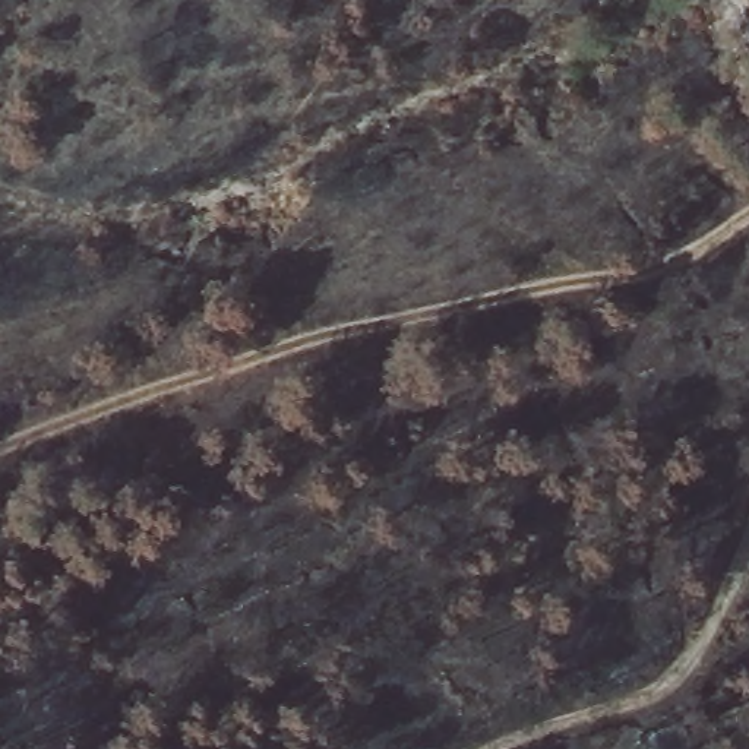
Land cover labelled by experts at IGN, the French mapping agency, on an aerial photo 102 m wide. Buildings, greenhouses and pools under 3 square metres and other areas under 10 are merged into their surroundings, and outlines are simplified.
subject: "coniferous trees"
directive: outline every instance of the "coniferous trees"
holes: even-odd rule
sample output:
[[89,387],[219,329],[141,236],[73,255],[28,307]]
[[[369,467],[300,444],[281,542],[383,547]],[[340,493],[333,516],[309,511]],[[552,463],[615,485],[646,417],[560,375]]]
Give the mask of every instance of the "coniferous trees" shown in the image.
[[679,135],[682,140],[693,143],[693,149],[723,176],[723,181],[734,187],[740,208],[749,205],[749,167],[726,152],[723,140],[717,138],[717,120],[702,117],[699,126],[685,126],[679,111],[673,108],[673,94],[655,94],[647,99],[644,108],[644,123],[655,126],[658,138]]
[[252,290],[243,287],[243,266],[225,269],[202,263],[202,272],[187,293],[173,293],[158,284],[138,287],[132,310],[111,313],[102,339],[105,357],[111,363],[120,357],[132,369],[152,357],[152,348],[164,351],[178,342],[184,342],[184,354],[193,360],[225,363],[231,354],[240,351],[269,348],[278,336],[269,328],[272,310],[266,298],[257,298]]
[[664,576],[673,585],[690,585],[702,579],[708,556],[714,550],[714,538],[702,530],[705,494],[693,483],[705,465],[705,439],[711,436],[705,418],[688,424],[673,410],[644,413],[632,401],[620,401],[614,383],[573,386],[559,377],[553,366],[538,363],[535,339],[541,334],[541,322],[565,322],[571,336],[588,348],[606,339],[611,331],[638,331],[635,319],[658,307],[658,284],[641,281],[635,275],[617,278],[611,287],[594,287],[547,298],[527,298],[524,293],[483,298],[477,301],[439,310],[439,322],[418,325],[415,342],[433,342],[430,369],[436,372],[442,389],[436,407],[410,410],[410,442],[413,451],[430,459],[430,471],[462,483],[468,497],[427,509],[430,535],[418,538],[407,553],[407,562],[415,568],[418,576],[398,579],[398,588],[386,594],[386,611],[398,623],[410,623],[410,629],[418,635],[445,632],[468,638],[477,661],[500,664],[506,670],[506,682],[518,688],[521,682],[544,679],[553,673],[556,661],[562,661],[562,652],[571,641],[568,611],[585,600],[588,591],[594,591],[597,579],[603,579],[609,571],[638,571],[647,576]]
[[0,149],[18,170],[35,167],[41,155],[32,149],[29,120],[35,120],[35,111],[29,108],[29,102],[6,102],[0,108]]
[[307,351],[275,360],[269,366],[257,366],[246,375],[228,377],[225,383],[164,395],[138,410],[126,410],[111,418],[76,427],[70,433],[32,442],[29,448],[20,448],[0,459],[0,749],[363,749],[366,723],[360,714],[375,699],[377,688],[363,673],[366,664],[354,655],[354,647],[372,614],[372,594],[360,585],[354,585],[354,591],[345,597],[307,600],[313,638],[307,644],[304,664],[281,667],[275,679],[255,673],[246,682],[231,673],[231,661],[211,661],[205,667],[164,673],[146,658],[146,650],[138,650],[138,644],[126,635],[129,626],[120,623],[120,614],[132,611],[140,597],[167,588],[167,573],[152,562],[161,550],[190,553],[205,538],[225,535],[237,518],[234,512],[249,509],[252,503],[263,503],[272,494],[293,492],[296,506],[319,506],[328,509],[334,518],[351,518],[360,530],[366,530],[369,538],[377,538],[380,547],[392,547],[398,530],[398,503],[386,494],[383,477],[375,474],[372,456],[360,451],[357,433],[363,430],[363,424],[357,424],[354,415],[345,410],[342,392],[334,380],[316,377],[310,372]]

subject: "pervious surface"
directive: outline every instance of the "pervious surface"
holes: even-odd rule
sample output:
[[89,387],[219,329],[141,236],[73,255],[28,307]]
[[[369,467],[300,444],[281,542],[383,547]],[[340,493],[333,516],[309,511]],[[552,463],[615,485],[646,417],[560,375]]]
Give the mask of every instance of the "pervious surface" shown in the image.
[[275,360],[307,351],[357,336],[363,325],[418,325],[439,322],[439,310],[477,301],[474,296],[459,296],[451,301],[339,319],[331,325],[278,336],[269,348],[240,351],[231,354],[225,363],[193,360],[184,372],[132,389],[120,389],[91,404],[73,407],[67,413],[23,424],[0,442],[0,459],[20,448],[29,448],[32,442],[70,433],[76,427],[111,418],[126,410],[138,410],[164,395],[225,383],[228,377],[246,375],[257,366],[269,366]]
[[611,287],[617,278],[635,275],[632,263],[626,260],[603,269],[582,269],[492,287],[483,290],[483,298],[524,293],[527,298],[547,298],[594,287]]
[[664,263],[685,255],[702,257],[714,246],[749,228],[749,205],[740,208],[702,237],[667,249]]
[[661,702],[670,690],[676,690],[696,673],[705,650],[717,638],[723,620],[729,617],[729,609],[740,600],[743,582],[749,579],[749,573],[731,573],[729,588],[717,597],[714,611],[699,629],[699,635],[688,641],[685,652],[667,667],[667,673],[658,682],[644,685],[641,690],[623,699],[609,699],[550,717],[532,729],[503,734],[477,749],[518,749],[553,731],[565,731],[603,717],[632,714]]

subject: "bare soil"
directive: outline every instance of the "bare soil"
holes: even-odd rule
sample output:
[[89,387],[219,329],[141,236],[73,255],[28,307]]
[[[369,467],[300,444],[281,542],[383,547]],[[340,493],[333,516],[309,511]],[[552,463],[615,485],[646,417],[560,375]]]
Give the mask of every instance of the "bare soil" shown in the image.
[[729,609],[729,617],[723,620],[717,638],[705,650],[696,673],[676,690],[670,690],[661,702],[632,714],[603,717],[565,731],[553,731],[518,749],[749,749],[749,579],[743,582],[740,600]]
[[626,260],[632,263],[635,275],[641,281],[658,284],[658,307],[635,319],[638,331],[611,331],[606,339],[588,348],[571,336],[565,322],[541,322],[541,334],[535,339],[538,363],[553,366],[559,377],[573,386],[614,383],[620,401],[632,401],[644,413],[673,410],[688,424],[705,418],[711,436],[705,439],[705,465],[693,483],[705,494],[702,530],[714,538],[714,550],[708,556],[702,579],[690,585],[673,585],[664,576],[647,576],[638,571],[609,571],[603,579],[597,579],[594,591],[588,591],[585,600],[568,611],[571,641],[562,652],[562,661],[556,661],[553,673],[544,679],[521,682],[518,688],[506,682],[506,670],[500,664],[477,661],[468,638],[445,632],[418,635],[410,629],[410,623],[398,623],[386,611],[386,594],[398,588],[398,579],[418,576],[415,568],[407,562],[407,553],[418,538],[430,535],[427,509],[468,497],[462,483],[430,471],[430,459],[413,451],[410,442],[410,410],[436,407],[442,389],[436,372],[430,369],[433,342],[415,342],[418,325],[363,325],[357,336],[307,351],[310,372],[316,377],[334,380],[342,392],[345,410],[354,415],[357,424],[363,424],[363,430],[357,433],[360,451],[372,456],[375,474],[383,477],[386,494],[398,503],[398,530],[392,547],[380,547],[377,538],[369,538],[366,530],[360,530],[351,518],[334,518],[328,509],[319,506],[296,506],[293,492],[272,494],[263,503],[252,503],[249,509],[234,512],[237,518],[225,535],[205,538],[190,553],[161,550],[152,562],[167,573],[167,588],[140,597],[132,611],[120,614],[120,623],[129,626],[126,635],[138,644],[138,650],[146,650],[146,658],[164,673],[205,667],[211,661],[231,661],[231,673],[246,682],[255,673],[275,679],[281,667],[304,664],[307,644],[313,638],[307,600],[345,597],[354,591],[354,585],[360,585],[372,594],[372,614],[354,647],[354,655],[366,664],[363,673],[377,688],[375,699],[360,714],[366,723],[363,749],[477,749],[503,734],[532,729],[550,717],[609,699],[623,699],[641,690],[644,685],[658,682],[667,673],[667,667],[685,652],[688,641],[699,635],[699,629],[714,611],[717,597],[729,588],[731,573],[749,573],[749,228],[714,246],[702,257],[685,255],[664,263],[667,249],[702,237],[740,208],[734,187],[723,181],[723,176],[693,149],[693,143],[682,140],[679,135],[658,138],[655,126],[644,123],[644,108],[647,99],[655,94],[673,94],[673,108],[679,111],[685,126],[699,126],[702,117],[717,120],[717,138],[723,140],[726,152],[749,167],[749,0],[0,0],[0,108],[6,102],[29,102],[29,108],[35,111],[35,120],[29,120],[32,149],[41,155],[35,167],[18,170],[0,149],[0,442],[23,424],[67,413],[73,407],[91,404],[120,389],[132,389],[184,372],[193,360],[184,354],[184,342],[178,342],[164,351],[152,348],[152,357],[132,369],[120,357],[111,363],[105,357],[102,339],[111,313],[132,310],[138,287],[158,284],[173,293],[187,293],[202,272],[202,263],[225,269],[243,266],[243,287],[252,290],[257,298],[266,298],[272,310],[269,328],[278,336],[331,325],[339,319],[451,301],[459,296],[474,296],[477,301],[483,298],[483,290],[492,287],[582,269],[603,269]]

